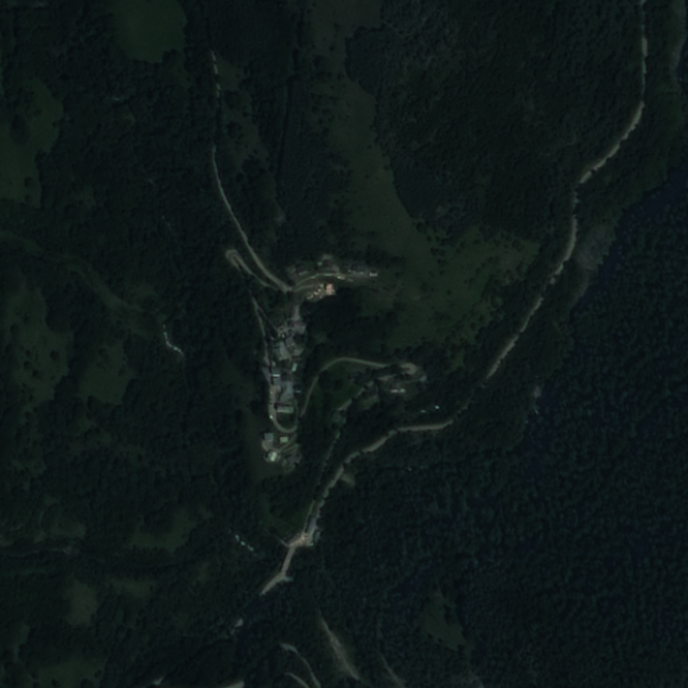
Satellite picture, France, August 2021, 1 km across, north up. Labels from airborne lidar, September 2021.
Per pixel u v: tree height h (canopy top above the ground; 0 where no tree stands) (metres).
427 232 8
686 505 26
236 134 19
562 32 24
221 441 27
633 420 34
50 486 19
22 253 19
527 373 16
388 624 15
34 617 12
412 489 24
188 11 17
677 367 26
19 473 13
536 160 12
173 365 8
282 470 0
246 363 14
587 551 22
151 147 27
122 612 9
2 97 6
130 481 26
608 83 14
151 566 11
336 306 23
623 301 26
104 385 0
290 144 22
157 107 16
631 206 16
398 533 19
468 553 18
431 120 16
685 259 29
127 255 10
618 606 25
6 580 8
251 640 23
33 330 0
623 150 12
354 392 0
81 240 24
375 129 9
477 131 13
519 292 19
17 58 17
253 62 16
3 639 12
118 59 27
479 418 15
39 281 20
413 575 12
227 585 16
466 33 13
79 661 0
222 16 25
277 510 16
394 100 6
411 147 10
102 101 19
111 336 6
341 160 16
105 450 8
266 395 8
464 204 20
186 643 23
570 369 34
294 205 23
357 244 9
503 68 13
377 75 19
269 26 24
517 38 11
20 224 14
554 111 9
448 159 14
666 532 20
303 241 23
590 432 23
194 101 18
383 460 21
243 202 10
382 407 11
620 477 22
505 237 10
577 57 24
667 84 34
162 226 24
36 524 10
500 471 33
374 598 17
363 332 15
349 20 0
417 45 16
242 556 7
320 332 19
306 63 16
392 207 0
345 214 12
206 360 24
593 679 6
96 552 10
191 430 27
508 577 22
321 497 21
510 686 17
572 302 24
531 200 13
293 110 23
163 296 8
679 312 29
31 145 0
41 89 0
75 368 22
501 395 22
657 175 32
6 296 20
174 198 25
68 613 7
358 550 23
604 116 17
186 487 22
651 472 21
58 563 17
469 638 13
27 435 22
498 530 19
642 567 32
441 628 0
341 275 0
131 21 0
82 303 27
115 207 28
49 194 21
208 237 23
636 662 20
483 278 0
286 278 9
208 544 8
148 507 24
